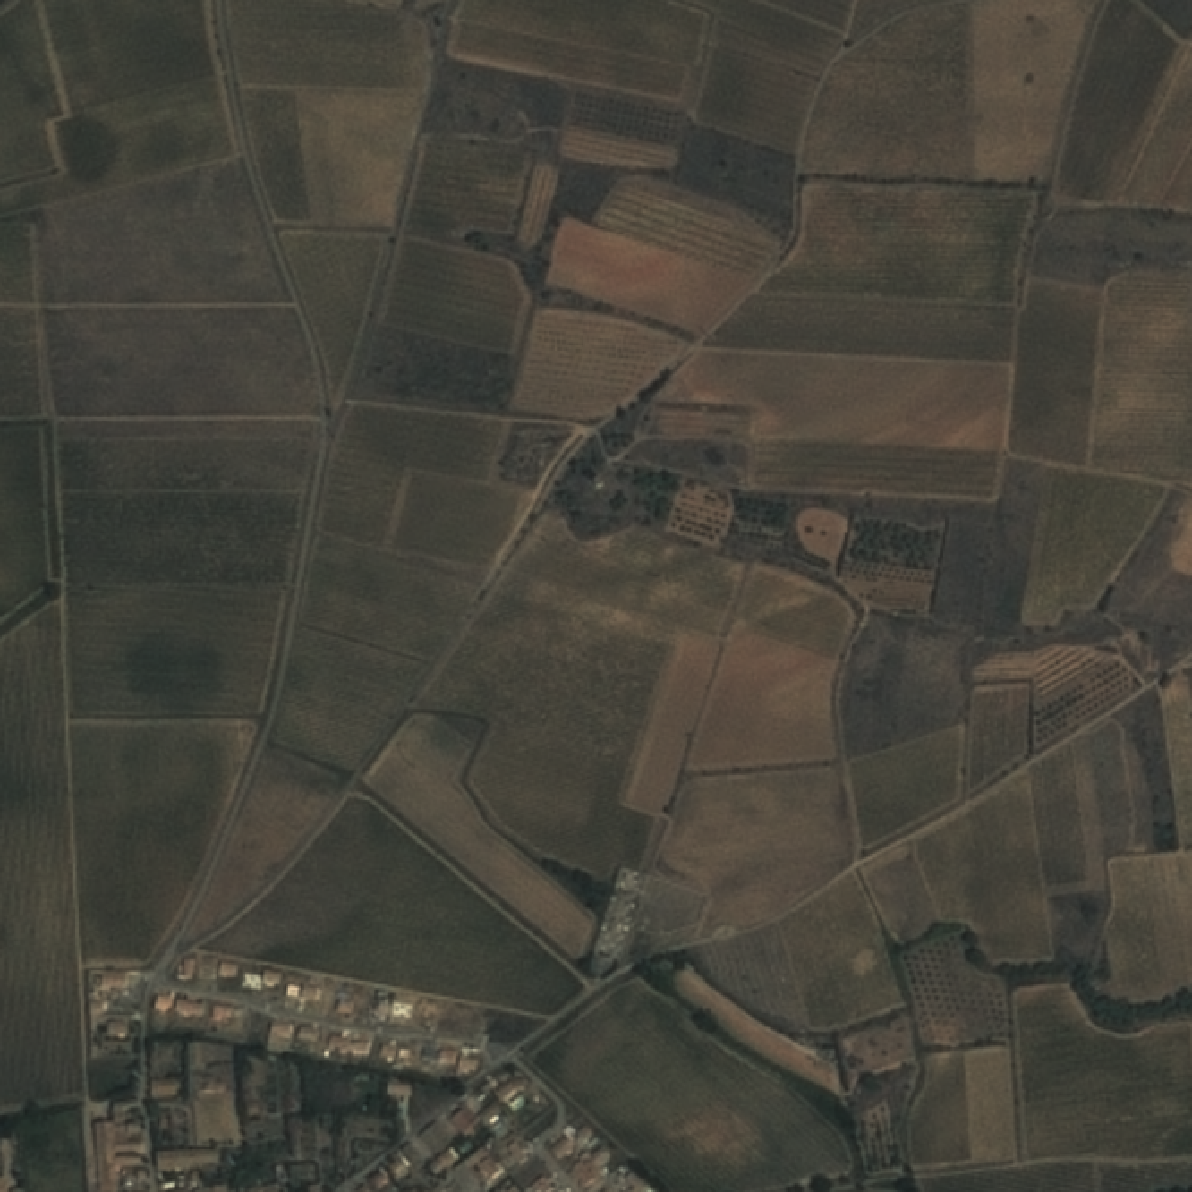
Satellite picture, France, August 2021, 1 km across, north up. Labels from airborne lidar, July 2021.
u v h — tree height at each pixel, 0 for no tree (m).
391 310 0
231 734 0
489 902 0
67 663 0
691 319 0
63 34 0
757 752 0
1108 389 0
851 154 0
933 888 0
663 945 0
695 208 0
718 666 0
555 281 0
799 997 0
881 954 0
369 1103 7
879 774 0
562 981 0
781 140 0
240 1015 0
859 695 0
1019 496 0
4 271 0
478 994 0
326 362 0
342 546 0
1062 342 0
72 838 0
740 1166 0
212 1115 0
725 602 0
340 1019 0
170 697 0
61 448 0
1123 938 0
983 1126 0
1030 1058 0
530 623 0
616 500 8
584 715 0
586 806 0
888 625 0
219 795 0
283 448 0
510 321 0
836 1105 6
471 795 0
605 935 0
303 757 0
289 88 0
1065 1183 0
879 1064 0
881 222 0
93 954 0
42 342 0
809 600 0
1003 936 0
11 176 0
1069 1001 0
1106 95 0
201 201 0
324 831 0
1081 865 0
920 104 0
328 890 0
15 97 0
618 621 0
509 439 0
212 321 0
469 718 0
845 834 0
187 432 0
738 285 0
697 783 0
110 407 0
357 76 0
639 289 0
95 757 0
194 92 0
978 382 0
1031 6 0
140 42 0
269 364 0
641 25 0
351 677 0
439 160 0
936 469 0
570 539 0
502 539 0
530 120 0
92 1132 0
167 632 0
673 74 0
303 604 0
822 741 0
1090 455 0
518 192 0
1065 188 0
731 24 0
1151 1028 0
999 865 0
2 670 0
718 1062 0
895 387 0
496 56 0
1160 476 0
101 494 0
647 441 0
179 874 0
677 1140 0
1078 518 0
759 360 0
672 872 0
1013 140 0
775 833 0
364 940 0
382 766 0
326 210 0
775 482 0
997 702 0
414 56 0
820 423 0
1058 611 0
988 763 0
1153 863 0
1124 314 0
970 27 0
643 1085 0
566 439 0
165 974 0
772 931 0
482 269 0
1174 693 0
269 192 0
